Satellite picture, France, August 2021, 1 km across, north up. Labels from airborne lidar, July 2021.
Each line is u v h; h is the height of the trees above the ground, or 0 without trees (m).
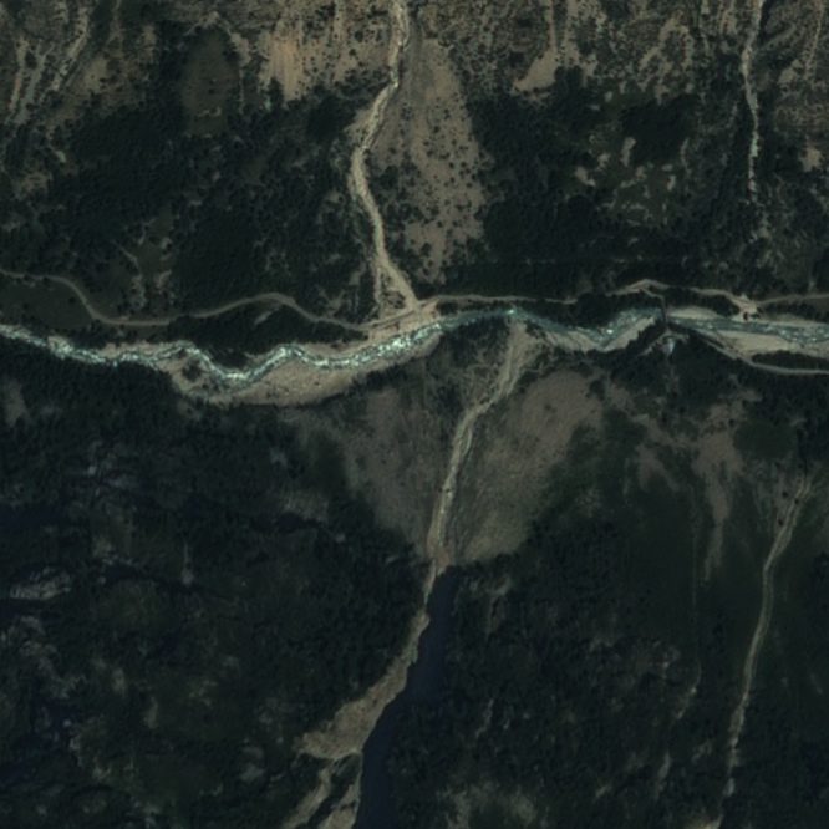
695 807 14
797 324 0
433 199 0
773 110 0
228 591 0
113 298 0
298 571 0
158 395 11
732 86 11
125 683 0
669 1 6
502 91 12
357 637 9
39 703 6
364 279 8
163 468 0
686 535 0
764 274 14
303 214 8
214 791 0
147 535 9
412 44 0
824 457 13
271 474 0
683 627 0
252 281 12
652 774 7
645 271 16
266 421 0
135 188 14
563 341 0
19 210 12
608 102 0
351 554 11
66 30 9
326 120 8
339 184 8
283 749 0
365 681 10
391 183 7
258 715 0
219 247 11
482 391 0
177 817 0
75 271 10
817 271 9
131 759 0
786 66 11
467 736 8
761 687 0
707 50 0
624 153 0
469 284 9
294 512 0
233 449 9
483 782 0
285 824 0
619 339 0
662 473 0
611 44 0
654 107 10
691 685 0
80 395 11
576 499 0
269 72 0
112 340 8
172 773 0
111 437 6
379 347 0
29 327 9
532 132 15
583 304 14
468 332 7
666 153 12
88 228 9
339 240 14
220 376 0
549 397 0
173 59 12
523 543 0
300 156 9
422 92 0
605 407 0
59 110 12
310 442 0
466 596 0
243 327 15
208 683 0
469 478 0
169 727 0
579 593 7
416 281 10
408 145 0
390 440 0
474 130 11
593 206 12
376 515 0
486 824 0
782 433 0
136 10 0
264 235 5
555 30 0
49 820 0
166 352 0
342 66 0
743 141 13
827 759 14
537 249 17
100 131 9
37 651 0
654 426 0
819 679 0
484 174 10
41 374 16
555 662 13
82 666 6
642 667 0
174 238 12
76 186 9
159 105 14
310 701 9
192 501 10
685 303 11
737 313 12
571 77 12
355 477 0
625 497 0
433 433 0
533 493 0
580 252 16
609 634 0
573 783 10
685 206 13
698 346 17
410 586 8
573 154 12
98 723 0
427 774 11
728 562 0
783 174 17
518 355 0
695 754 0
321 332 8
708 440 0
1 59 10
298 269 10
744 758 0
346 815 0
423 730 8
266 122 14
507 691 8
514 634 8
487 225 13
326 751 0
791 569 0
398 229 7
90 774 0
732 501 0
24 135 10
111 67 0
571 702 8
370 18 12
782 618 0
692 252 15
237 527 16
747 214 11
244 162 13
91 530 13
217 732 0
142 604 0
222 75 0
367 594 9
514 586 0
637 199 0
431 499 0
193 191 11
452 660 0
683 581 0
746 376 11
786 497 8
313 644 8
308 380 0
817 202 11
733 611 0
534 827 0
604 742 9
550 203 13
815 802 14
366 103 6
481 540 0
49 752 6
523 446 0
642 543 0
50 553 16
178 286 9
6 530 8
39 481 6
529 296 13
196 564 9
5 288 13
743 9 0
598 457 0
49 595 0
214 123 0
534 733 6
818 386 12
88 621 5
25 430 17
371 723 0
